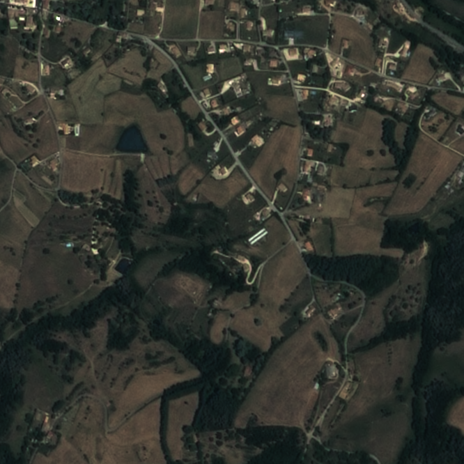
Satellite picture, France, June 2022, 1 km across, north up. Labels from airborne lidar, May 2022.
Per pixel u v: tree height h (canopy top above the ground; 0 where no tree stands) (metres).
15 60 0
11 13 0
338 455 9
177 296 0
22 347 23
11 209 0
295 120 0
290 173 0
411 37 18
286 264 0
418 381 22
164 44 9
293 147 0
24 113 0
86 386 0
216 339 0
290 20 5
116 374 0
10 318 7
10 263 0
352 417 0
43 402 0
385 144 13
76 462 0
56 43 0
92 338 0
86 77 0
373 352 0
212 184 0
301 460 12
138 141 0
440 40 8
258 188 0
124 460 0
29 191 0
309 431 7
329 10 0
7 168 0
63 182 0
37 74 0
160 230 10
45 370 0
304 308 0
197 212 0
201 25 0
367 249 0
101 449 0
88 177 0
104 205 15
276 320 0
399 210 0
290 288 0
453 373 0
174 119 0
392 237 19
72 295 0
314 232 0
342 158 7
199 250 8
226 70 0
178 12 0
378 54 6
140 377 0
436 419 19
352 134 0
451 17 13
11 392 9
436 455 19
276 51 12
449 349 0
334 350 0
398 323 15
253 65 0
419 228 10
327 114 0
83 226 0
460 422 0
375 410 0
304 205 6
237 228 0
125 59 0
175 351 0
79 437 0
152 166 0
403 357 0
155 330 9
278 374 0
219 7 0
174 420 0
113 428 0
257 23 9
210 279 8
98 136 0
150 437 0
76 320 28
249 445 9
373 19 0
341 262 23
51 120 0
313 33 0
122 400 0
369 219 0
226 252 7
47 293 0
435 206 0
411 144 18
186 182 0
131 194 28
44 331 15
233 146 0
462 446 22
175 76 10
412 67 0
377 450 0
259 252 0
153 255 0
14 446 0
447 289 14
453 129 0
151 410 0
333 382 0
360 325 0
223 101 13
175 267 9
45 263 0
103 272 16
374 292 5
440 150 0
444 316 16
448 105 0
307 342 0
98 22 17
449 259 14
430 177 0
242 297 0
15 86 0
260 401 0
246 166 0
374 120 0
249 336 0
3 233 0
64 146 0
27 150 0
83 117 0
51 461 0
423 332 15
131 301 28
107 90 0
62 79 0
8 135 0
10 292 0
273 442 11
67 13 18
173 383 0
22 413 0
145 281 0
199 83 0
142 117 0
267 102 0
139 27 0
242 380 8
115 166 0
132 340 6
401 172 14
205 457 8
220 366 16
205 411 15
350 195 0
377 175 0
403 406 0
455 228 20
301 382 0
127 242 19
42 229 0
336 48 0
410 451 7
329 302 0
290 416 0
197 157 0
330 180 0
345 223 0
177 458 0
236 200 0
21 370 16
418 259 0
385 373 0
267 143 0
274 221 0
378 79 0
